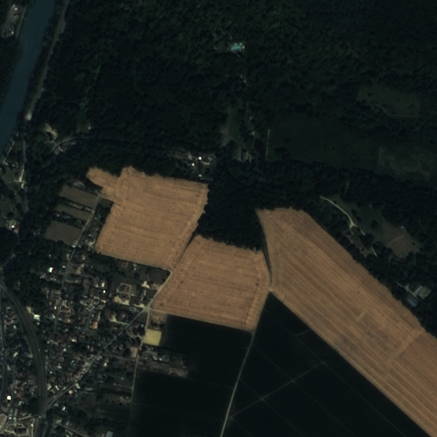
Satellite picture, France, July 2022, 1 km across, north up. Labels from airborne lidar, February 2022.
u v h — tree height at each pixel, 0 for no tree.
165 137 16
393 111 8
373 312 0
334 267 0
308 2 16
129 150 21
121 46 22
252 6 24
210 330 0
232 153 11
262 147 17
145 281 0
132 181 0
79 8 15
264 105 18
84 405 0
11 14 0
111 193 0
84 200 0
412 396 0
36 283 12
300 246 0
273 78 25
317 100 9
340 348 0
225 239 17
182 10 8
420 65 13
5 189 20
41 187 20
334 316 0
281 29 14
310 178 37
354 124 11
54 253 16
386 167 0
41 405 0
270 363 0
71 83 17
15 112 0
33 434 0
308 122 0
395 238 0
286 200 20
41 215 13
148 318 0
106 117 22
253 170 18
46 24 0
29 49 0
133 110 24
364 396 0
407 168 0
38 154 20
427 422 0
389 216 17
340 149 0
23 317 0
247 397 0
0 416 0
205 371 0
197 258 0
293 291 0
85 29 26
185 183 0
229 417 0
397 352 0
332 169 7
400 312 0
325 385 0
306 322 0
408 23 16
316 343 0
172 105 9
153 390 0
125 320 9
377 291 0
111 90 21
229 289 0
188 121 0
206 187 0
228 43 8
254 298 0
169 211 0
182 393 0
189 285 0
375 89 0
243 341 0
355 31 15
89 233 7
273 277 0
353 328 0
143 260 0
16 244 19
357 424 0
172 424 0
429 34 20
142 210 0
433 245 7
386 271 13
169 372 0
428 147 0
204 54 25
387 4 18
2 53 27
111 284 9
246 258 0
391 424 0
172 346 0
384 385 0
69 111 20
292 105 21
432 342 0
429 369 0
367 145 0
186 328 0
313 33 12
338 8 21
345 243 18
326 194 20
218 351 0
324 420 0
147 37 15
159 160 22
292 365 0
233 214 28
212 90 9
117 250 0
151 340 0
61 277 8
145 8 8
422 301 7
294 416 0
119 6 8
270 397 0
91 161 19
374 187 27
